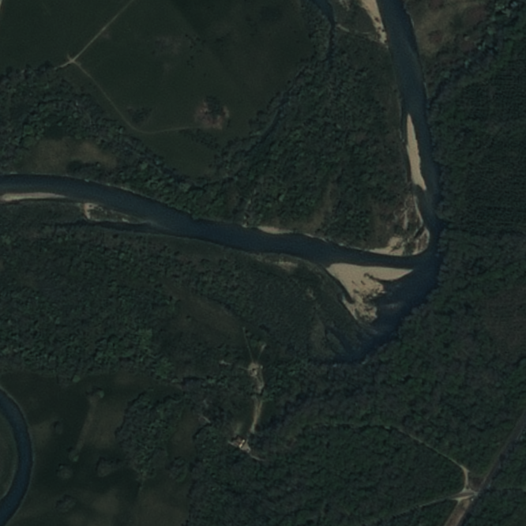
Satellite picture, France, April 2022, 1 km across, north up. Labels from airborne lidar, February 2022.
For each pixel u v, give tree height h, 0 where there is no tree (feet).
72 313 21
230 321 0
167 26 0
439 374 98
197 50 0
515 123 53
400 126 0
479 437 92
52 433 0
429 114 74
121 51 0
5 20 0
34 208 0
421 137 0
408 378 84
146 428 79
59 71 24
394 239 0
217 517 88
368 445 95
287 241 0
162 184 44
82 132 46
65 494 0
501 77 24
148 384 0
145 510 0
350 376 70
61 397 0
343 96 68
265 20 0
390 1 0
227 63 0
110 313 66
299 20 0
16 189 0
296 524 83
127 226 0
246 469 73
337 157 18
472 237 67
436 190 0
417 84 0
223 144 0
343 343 0
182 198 42
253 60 0
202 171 0
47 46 0
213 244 0
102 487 0
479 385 97
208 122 0
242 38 0
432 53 0
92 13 0
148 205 0
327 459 63
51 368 60
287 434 74
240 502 87
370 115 36
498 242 58
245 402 0
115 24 0
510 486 66
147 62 0
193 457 0
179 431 0
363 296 0
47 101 40
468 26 0
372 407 82
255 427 0
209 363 58
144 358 39
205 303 0
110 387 0
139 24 0
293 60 0
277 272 0
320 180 48
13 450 0
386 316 0
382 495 88
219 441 37
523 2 104
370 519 88
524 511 67
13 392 0
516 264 75
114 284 35
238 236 0
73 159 0
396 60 0
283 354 0
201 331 0
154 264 37
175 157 0
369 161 48
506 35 88
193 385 72
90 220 0
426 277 0
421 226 0
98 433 0
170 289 0
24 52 0
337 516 76
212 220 0
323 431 77
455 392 79
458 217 32
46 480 0
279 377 25
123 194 0
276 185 49
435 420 77
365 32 0
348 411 91
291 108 60
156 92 0
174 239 0
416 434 98
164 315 65
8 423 0
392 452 98
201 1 0
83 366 61
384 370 104
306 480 91
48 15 0
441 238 67
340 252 0
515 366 42
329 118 52
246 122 0
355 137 49
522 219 35
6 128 64
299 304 19
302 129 34
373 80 20
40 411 0
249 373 0
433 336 94
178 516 0
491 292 69
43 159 0
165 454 52
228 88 0
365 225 50
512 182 30
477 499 0
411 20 0
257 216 52
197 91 0
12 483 0
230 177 41
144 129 0
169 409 41
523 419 0
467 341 95
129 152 19
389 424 69
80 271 52
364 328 0
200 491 75
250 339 26
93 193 0
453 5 0
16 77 68
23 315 57
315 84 20
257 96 0
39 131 41
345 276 0
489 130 84
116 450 0
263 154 21
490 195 29
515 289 21
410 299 0
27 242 21
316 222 0
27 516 0
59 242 33
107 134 65
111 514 0
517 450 82
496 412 78
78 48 0
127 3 0
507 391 99
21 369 75
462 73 62
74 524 0
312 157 26
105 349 58
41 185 0
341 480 66
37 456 0
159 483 0
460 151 43
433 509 30
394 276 0
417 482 61
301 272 0
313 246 0
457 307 84
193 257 0
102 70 0
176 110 0
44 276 44
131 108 0
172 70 0
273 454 66
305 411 88
